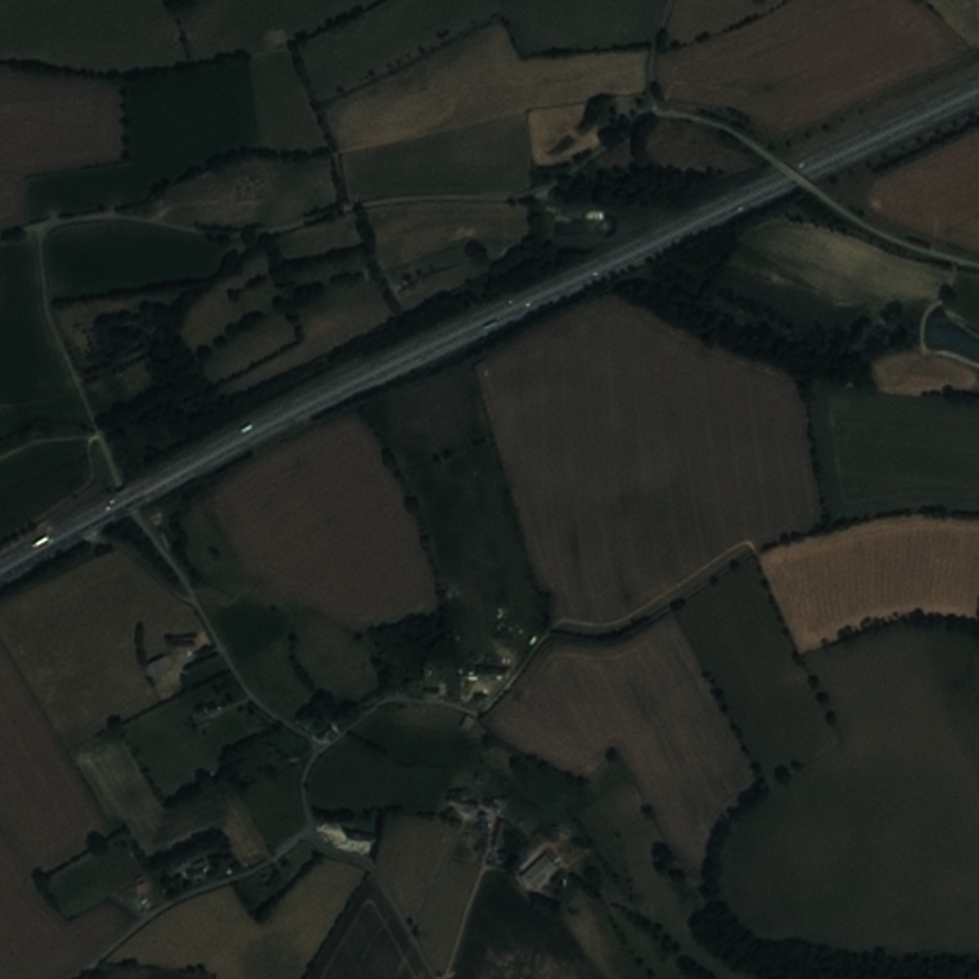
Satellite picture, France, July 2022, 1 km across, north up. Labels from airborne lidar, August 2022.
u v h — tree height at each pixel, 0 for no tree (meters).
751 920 0
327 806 0
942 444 0
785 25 0
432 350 0
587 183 16
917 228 0
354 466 0
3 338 0
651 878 0
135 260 0
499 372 0
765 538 0
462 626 0
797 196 9
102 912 0
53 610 0
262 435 0
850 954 12
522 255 10
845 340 28
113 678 0
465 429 0
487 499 0
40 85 0
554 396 0
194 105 0
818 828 0
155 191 10
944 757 0
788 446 0
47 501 0
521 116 0
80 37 0
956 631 9
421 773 0
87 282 0
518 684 0
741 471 0
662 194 17
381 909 0
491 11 0
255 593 0
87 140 0
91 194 0
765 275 0
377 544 0
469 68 0
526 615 0
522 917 0
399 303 10
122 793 0
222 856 6
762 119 0
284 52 0
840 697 0
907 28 0
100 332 8
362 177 0
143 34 0
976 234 0
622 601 0
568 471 0
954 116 0
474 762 0
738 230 10
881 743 0
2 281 0
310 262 11
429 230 0
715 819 0
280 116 0
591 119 10
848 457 0
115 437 11
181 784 0
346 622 0
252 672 0
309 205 0
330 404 0
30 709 0
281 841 0
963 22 0
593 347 0
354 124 0
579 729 0
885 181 0
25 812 0
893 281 0
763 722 0
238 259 15
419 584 0
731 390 0
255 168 0
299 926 0
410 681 8
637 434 0
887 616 0
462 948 0
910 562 0
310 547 0
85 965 0
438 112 0
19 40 0
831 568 0
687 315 19
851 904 0
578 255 8
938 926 0
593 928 0
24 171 0
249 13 0
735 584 0
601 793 0
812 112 0
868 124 0
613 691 0
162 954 0
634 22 0
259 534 0
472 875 0
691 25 0
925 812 0
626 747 0
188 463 0
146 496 0
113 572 0
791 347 21
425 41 0
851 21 0
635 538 0
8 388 0
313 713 15
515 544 0
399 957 0
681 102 0
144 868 12
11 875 0
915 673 0
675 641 0
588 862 0
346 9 0
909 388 0
